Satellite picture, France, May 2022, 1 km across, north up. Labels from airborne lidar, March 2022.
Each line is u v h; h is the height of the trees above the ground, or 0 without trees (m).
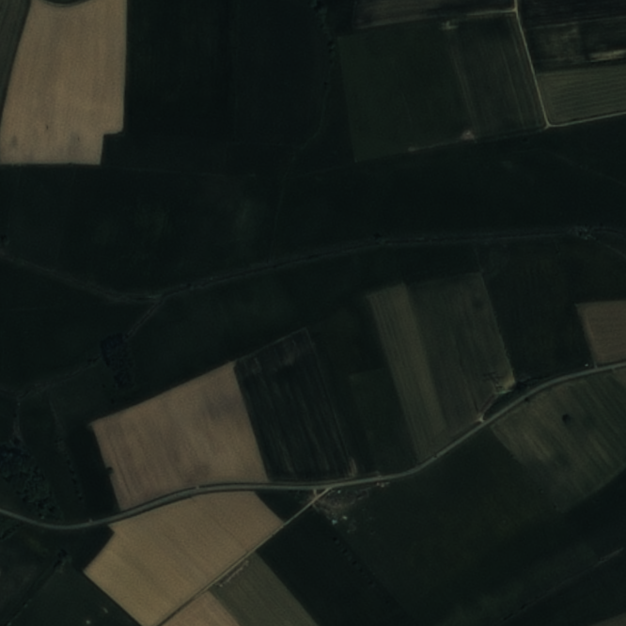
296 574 0
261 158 0
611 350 0
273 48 0
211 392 0
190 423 0
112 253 0
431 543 0
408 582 0
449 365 0
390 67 0
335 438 0
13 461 29
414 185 0
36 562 0
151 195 0
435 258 0
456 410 0
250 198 0
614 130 0
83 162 0
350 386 0
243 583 0
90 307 0
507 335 0
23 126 0
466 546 0
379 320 0
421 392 0
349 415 0
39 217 0
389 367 0
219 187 0
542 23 0
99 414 0
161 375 0
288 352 0
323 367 0
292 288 0
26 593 0
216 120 0
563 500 0
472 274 0
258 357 0
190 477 0
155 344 0
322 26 9
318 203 0
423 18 0
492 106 0
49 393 0
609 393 0
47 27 0
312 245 0
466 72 0
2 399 0
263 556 0
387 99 0
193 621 0
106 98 0
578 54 0
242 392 0
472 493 0
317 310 0
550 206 0
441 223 0
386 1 0
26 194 0
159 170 0
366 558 0
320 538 0
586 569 0
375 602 0
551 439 0
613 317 0
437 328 0
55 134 0
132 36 0
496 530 0
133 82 0
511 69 0
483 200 0
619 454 0
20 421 0
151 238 0
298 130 0
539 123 0
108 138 0
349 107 0
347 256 0
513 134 0
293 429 0
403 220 0
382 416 0
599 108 0
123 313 0
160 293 0
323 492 0
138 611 0
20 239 0
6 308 0
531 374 0
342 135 0
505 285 0
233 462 0
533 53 0
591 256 0
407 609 0
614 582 0
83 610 0
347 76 0
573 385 0
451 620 0
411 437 0
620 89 0
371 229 0
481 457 0
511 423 0
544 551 0
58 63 0
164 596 0
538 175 0
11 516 0
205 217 0
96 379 0
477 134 0
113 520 0
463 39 0
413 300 0
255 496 0
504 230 0
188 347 0
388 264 0
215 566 0
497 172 0
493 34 0
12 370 0
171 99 0
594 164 0
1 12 0
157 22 0
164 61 0
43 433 0
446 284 0
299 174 0
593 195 0
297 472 0
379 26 0
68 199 0
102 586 0
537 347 0
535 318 0
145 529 0
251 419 0
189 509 0
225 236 0
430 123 0
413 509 0
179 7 0
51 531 0
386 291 0
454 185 0
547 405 0
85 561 0
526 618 0
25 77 0
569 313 0
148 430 0
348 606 0
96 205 0
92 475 0
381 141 0
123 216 0
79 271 0
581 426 0
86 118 0
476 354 0
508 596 0
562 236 0
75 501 0
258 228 0
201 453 0
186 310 0
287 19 0
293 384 0
